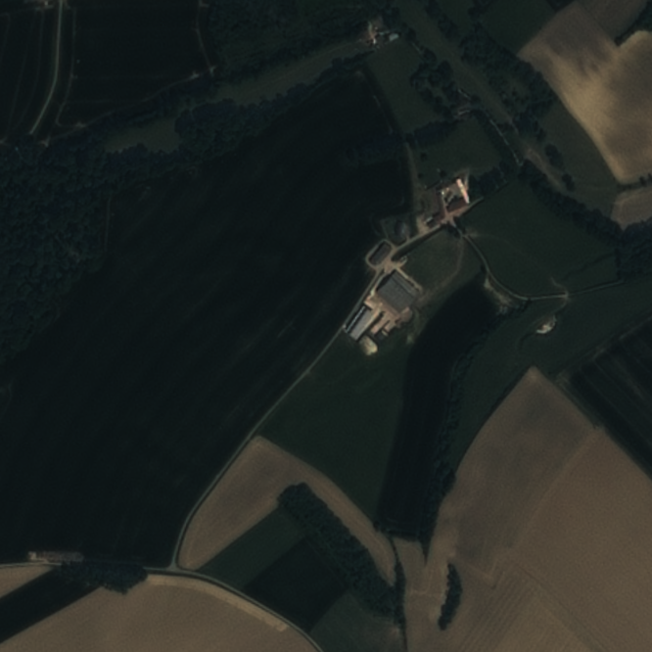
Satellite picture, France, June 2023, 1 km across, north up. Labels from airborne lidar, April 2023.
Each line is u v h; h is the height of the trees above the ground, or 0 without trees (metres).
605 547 0
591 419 0
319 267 0
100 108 0
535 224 0
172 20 0
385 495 0
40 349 0
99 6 0
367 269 0
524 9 0
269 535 0
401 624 10
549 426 0
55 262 35
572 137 0
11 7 0
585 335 0
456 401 10
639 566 0
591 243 0
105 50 0
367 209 0
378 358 0
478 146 0
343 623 0
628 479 0
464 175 0
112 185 21
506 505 0
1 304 29
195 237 0
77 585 0
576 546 0
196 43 0
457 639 0
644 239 32
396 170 0
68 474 0
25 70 0
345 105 0
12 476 0
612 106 0
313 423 0
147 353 0
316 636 0
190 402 0
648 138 0
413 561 0
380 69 0
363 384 0
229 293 0
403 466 0
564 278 0
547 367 0
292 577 0
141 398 0
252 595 0
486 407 0
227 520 0
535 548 0
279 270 0
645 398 0
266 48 0
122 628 0
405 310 0
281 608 0
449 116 16
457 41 8
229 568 0
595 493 0
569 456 0
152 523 0
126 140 0
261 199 0
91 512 0
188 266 0
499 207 0
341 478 0
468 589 0
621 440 0
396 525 0
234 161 0
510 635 0
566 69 0
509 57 20
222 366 0
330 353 0
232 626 0
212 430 0
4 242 27
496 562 0
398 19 20
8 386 0
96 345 0
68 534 0
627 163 0
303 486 11
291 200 0
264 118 20
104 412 0
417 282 0
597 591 0
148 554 0
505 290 0
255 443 0
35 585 0
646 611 0
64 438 0
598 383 0
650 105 0
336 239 0
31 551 0
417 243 0
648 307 0
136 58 0
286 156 0
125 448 0
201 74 0
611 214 0
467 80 0
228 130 26
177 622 0
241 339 0
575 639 0
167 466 0
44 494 0
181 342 0
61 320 0
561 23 0
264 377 0
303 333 0
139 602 0
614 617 0
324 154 0
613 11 0
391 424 0
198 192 0
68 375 0
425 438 0
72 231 31
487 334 7
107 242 0
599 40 0
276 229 0
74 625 0
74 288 0
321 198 0
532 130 25
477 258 0
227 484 0
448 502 0
